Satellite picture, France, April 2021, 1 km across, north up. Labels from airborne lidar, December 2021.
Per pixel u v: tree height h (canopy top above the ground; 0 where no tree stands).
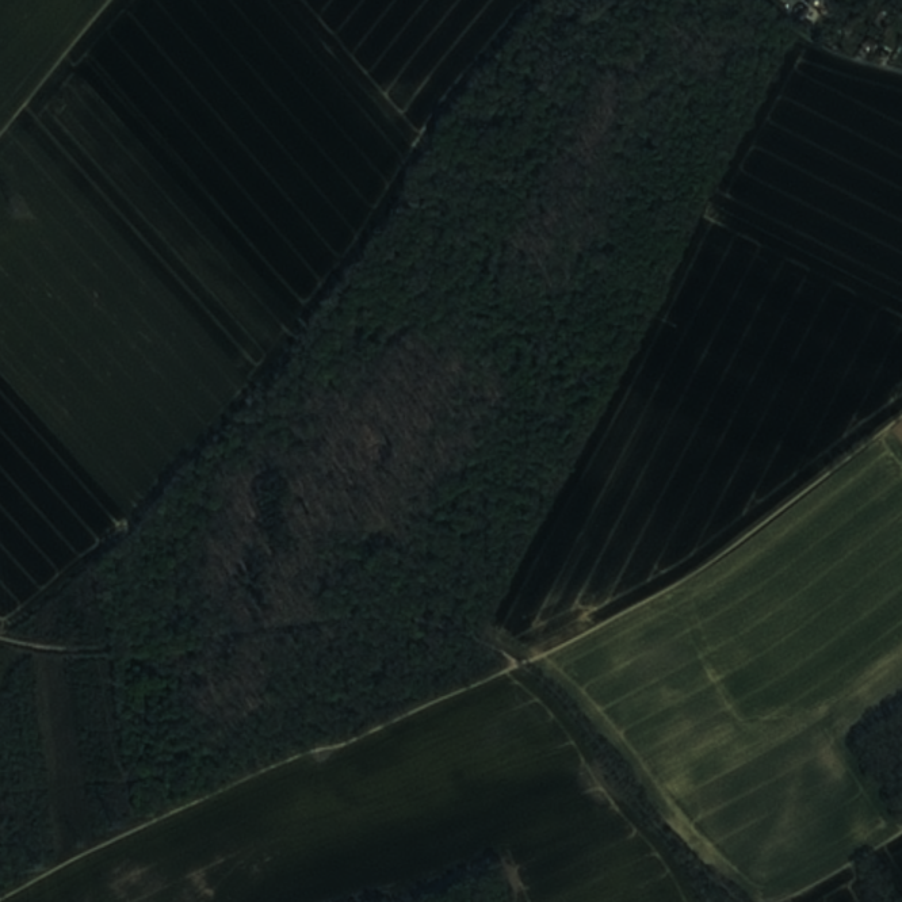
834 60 0
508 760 0
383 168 0
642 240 23
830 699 0
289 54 0
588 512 0
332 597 23
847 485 0
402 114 0
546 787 0
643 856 0
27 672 8
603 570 0
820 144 0
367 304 20
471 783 0
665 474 0
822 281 0
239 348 0
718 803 0
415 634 24
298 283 0
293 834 0
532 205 22
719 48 26
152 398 0
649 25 23
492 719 0
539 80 24
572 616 0
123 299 0
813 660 0
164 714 21
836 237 0
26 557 0
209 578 20
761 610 0
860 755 20
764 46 16
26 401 0
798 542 0
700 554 0
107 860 0
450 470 13
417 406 24
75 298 0
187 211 0
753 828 0
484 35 0
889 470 0
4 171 0
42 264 0
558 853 0
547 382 22
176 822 0
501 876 25
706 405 0
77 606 0
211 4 0
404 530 20
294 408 21
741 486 0
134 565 17
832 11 18
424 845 0
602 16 22
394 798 0
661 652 0
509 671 0
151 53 0
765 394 0
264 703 23
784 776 0
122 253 0
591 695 0
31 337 0
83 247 0
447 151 29
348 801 0
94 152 0
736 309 0
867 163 0
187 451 0
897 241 0
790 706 0
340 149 0
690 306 0
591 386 22
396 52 0
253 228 0
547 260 24
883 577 0
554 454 22
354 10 0
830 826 0
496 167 28
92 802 6
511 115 19
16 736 10
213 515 19
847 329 0
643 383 0
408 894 0
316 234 0
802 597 0
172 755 14
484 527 15
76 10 0
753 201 0
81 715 6
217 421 0
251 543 22
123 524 0
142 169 0
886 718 20
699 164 24
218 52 0
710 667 0
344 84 0
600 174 24
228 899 0
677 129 18
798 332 0
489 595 18
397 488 22
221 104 0
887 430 0
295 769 0
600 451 0
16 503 0
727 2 21
